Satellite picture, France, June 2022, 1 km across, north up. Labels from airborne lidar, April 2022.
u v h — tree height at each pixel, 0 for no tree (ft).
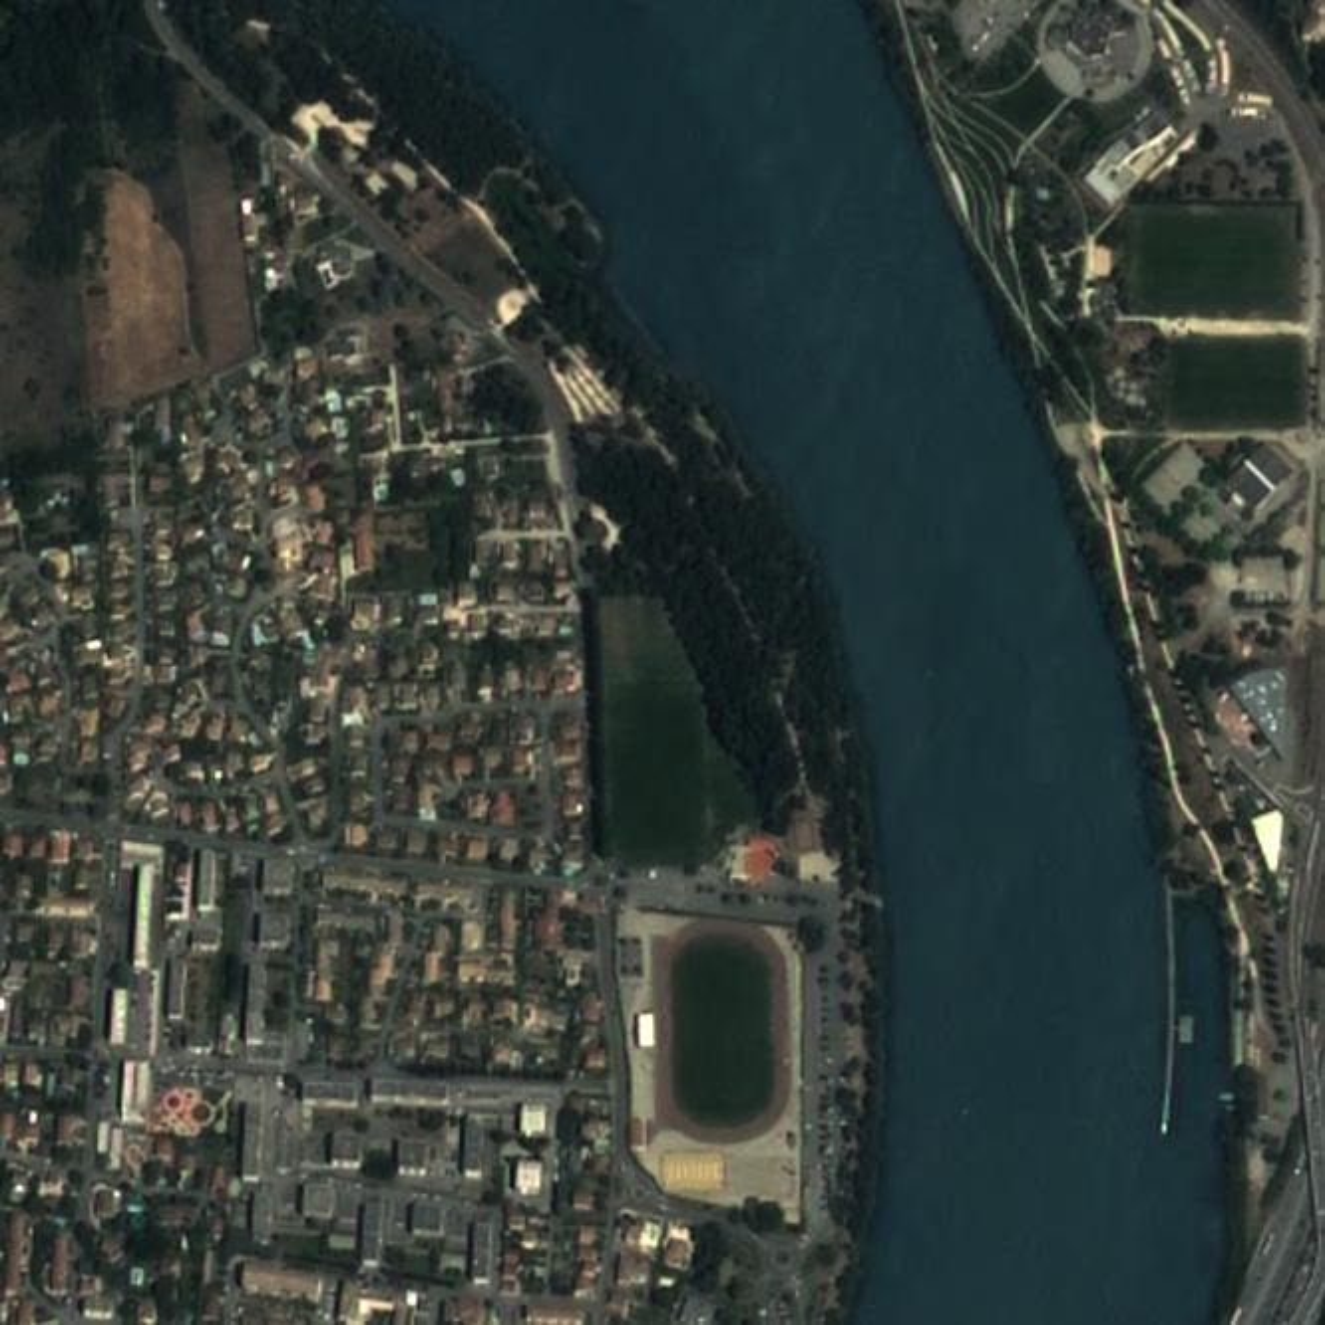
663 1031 0
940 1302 0
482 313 0
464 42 0
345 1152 0
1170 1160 0
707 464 71
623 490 52
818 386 0
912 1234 0
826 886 0
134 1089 0
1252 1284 0
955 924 0
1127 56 0
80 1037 35
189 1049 0
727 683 56
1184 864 21
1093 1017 0
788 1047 0
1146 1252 0
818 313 0
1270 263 0
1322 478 0
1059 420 0
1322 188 0
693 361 0
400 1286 23
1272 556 35
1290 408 0
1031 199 55
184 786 21
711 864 0
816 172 0
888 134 0
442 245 0
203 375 0
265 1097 0
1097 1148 0
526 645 18
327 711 0
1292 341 0
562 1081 30
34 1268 23
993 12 0
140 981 0
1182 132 0
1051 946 0
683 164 0
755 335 0
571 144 0
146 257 0
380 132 40
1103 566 26
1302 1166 0
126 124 22
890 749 0
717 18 0
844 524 0
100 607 18
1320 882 0
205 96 25
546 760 0
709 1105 0
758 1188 0
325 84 91
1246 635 35
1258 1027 0
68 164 38
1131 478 33
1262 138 0
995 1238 0
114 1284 20
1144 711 74
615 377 56
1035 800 0
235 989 43
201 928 0
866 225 0
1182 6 54
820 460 0
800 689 41
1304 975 0
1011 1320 0
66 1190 24
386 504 22
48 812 0
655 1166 0
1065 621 0
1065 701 0
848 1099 57
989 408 0
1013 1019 0
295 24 84
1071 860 0
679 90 0
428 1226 0
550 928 0
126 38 63
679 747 0
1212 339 0
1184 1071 0
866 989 35
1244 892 0
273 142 0
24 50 53
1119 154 0
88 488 22
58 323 0
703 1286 68
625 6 0
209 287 0
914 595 0
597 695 82
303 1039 0
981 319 0
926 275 0
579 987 31
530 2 0
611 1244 0
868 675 0
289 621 0
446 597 0
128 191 0
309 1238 0
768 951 0
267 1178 0
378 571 28
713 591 44
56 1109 26
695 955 0
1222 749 0
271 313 26
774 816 67
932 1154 0
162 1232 19
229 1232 52
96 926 0
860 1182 43
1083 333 58
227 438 0
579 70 0
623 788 0
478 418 30
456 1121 28
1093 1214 0
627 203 0
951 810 0
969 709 0
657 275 0
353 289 0
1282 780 0
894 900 0
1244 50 0
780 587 70
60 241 45
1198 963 0
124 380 0
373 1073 0
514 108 0
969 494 0
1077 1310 0
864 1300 0
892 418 0
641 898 0
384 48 72
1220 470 37
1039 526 0
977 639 0
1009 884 0
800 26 0
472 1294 0
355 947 18
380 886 0
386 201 60
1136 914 0
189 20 73
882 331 0
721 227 0
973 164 0
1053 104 0
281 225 33
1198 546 26
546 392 0
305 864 0
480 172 76
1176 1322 0
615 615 0
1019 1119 0
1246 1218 0
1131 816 0
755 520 63
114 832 0
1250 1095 37
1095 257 0
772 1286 0
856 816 46
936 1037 0
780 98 0
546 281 27
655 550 64
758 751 22
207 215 0
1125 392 0
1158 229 0
